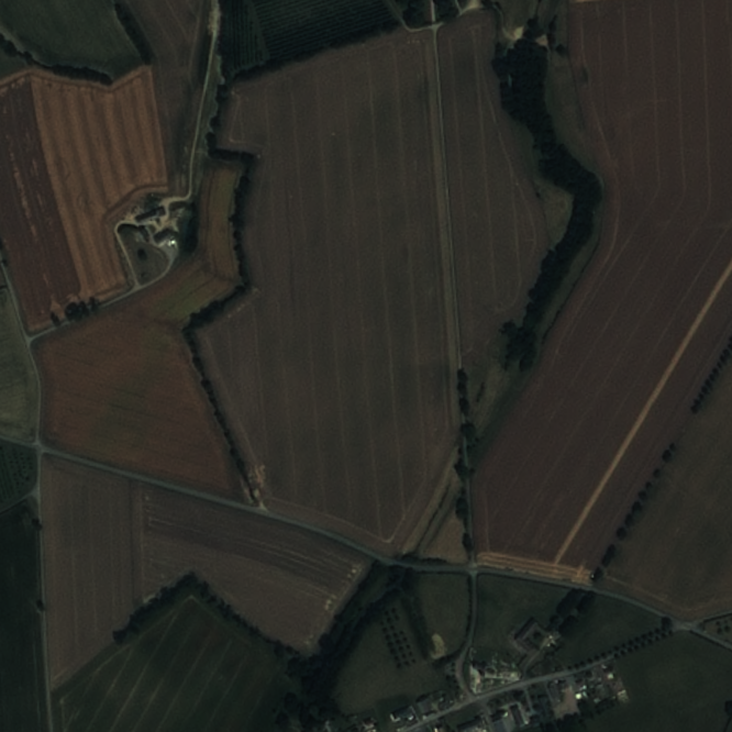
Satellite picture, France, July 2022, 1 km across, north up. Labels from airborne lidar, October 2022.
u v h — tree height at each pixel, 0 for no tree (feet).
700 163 0
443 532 0
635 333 0
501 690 0
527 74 85
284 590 0
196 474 0
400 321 0
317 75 0
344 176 0
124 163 0
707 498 0
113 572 0
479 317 0
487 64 0
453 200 0
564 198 0
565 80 0
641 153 0
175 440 0
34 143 0
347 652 50
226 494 0
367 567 0
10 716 0
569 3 0
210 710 0
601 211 0
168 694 0
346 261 0
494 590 0
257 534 0
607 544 0
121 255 0
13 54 46
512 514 0
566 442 0
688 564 0
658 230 0
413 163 0
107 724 0
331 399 0
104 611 0
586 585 0
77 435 0
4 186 0
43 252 0
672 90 0
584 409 0
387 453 0
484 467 0
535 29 46
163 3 0
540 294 73
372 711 0
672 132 0
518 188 0
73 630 0
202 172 0
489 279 0
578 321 0
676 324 0
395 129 0
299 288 0
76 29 0
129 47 0
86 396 0
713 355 0
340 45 42
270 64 35
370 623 41
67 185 0
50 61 0
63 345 0
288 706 61
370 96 0
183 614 0
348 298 0
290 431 0
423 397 0
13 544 0
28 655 0
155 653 0
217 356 0
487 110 0
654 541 0
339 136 0
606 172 0
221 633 0
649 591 0
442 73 0
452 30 0
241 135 0
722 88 0
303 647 0
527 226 0
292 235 0
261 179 0
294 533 0
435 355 0
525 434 0
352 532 0
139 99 0
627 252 0
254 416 0
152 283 0
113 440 0
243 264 40
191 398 0
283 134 0
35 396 0
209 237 0
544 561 0
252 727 0
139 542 0
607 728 0
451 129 0
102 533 0
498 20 0
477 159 0
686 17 0
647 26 0
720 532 0
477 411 0
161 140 0
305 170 0
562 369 0
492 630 0
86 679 0
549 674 0
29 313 0
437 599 0
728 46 0
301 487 0
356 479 0
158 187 0
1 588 0
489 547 0
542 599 0
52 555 0
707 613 0
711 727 0
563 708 0
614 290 0
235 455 38
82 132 0
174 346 0
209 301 0
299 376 0
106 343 0
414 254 0
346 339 0
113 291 0
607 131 0
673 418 0
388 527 0
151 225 0
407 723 0
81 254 0
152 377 0
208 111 0
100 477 0
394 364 0
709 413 0
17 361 0
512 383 0
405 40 0
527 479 0
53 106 0
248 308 0
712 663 0
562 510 0
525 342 62
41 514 0
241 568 0
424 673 0
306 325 0
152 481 0
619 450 0
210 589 44
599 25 0
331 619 0
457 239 0
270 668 0
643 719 0
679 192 0
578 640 0
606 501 0
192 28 0
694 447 0
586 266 0
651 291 0
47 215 0
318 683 108
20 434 0
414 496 0
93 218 0
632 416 0
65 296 0
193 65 0
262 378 0
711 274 0
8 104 0
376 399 0
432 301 0
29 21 0
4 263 28
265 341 0
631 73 0
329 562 0
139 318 0
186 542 0
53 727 0
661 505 0
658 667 0
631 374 0
